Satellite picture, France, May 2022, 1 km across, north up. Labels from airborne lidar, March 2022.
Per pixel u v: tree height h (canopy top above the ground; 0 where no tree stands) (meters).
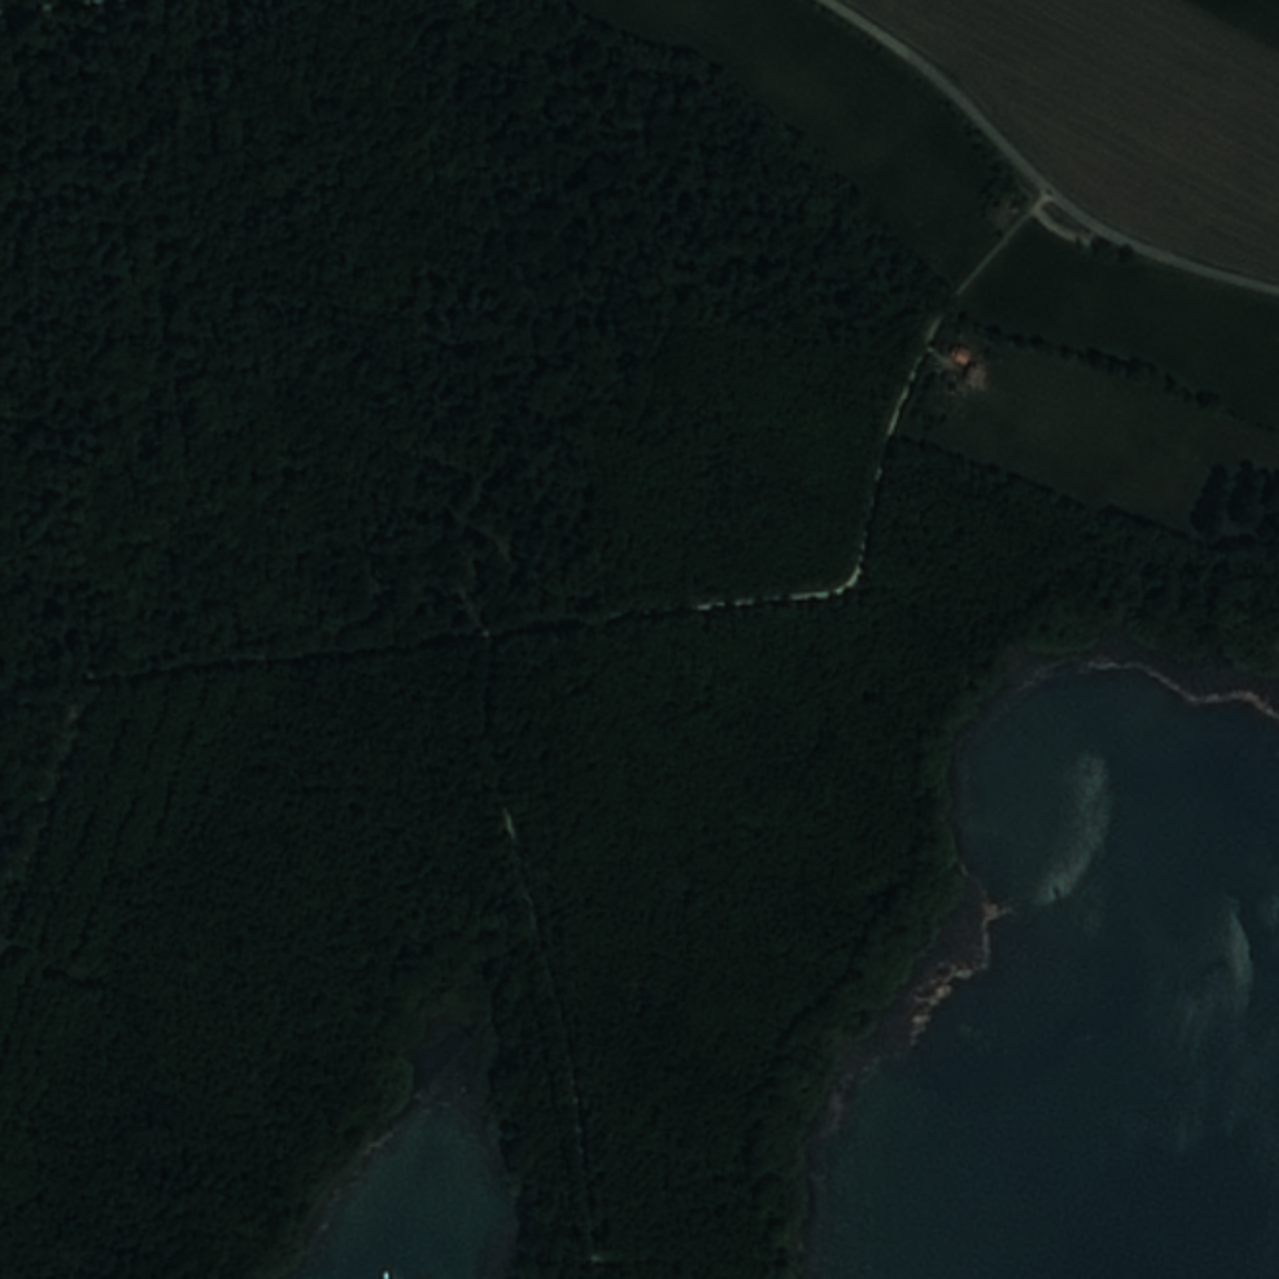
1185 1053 0
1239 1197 0
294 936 20
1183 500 0
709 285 23
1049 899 0
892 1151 0
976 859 0
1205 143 0
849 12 0
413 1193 0
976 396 0
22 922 15
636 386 26
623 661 16
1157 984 0
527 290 26
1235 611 24
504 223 27
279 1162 23
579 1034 16
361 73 25
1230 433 0
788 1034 22
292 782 19
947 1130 0
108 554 24
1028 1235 0
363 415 22
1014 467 0
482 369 23
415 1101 0
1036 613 21
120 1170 21
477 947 23
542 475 32
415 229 23
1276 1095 0
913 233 0
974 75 0
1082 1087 0
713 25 0
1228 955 0
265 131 19
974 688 13
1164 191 0
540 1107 15
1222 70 0
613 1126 18
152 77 30
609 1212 18
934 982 0
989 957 0
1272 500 30
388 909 22
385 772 19
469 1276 0
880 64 0
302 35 24
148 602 24
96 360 23
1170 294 0
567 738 19
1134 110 0
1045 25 0
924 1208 0
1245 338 0
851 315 26
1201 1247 0
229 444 24
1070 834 0
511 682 21
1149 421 0
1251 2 0
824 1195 0
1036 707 0
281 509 23
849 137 0
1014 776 0
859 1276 0
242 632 20
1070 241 0
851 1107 0
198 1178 24
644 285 28
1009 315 0
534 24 29
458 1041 0
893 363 13
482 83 26
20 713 26
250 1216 23
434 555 27
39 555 31
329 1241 0
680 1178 19
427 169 19
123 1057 19
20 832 23
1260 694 0
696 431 16
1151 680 0
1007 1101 0
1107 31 0
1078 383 0
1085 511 11
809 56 0
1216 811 0
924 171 0
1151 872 0
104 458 26
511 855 19
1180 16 0
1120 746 0
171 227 27
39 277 29
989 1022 0
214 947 18
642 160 27
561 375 27
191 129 23
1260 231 0
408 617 24
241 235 20
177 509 21
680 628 15
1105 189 0
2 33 27
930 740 18
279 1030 23
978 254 0
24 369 28
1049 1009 0
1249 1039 0
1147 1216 0
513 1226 0
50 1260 21
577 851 18
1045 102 0
